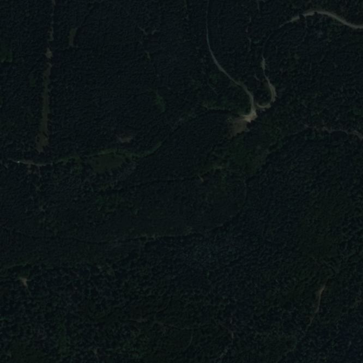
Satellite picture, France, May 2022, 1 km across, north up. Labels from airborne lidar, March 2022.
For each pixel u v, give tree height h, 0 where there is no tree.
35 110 21
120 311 13
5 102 22
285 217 26
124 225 27
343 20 0
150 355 12
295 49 23
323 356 29
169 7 18
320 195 21
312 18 9
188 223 22
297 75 16
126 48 23
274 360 7
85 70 24
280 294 10
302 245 24
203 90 23
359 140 25
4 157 27
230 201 26
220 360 9
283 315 33
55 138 21
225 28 23
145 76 20
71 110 24
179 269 27
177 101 24
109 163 0
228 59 20
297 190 19
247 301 34
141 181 18
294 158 25
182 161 17
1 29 24
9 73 22
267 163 24
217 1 22
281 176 21
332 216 24
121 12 25
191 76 16
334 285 12
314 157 25
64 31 25
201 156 17
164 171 18
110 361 12
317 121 32
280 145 21
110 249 23
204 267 27
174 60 24
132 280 38
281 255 22
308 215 25
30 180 12
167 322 8
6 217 30
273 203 19
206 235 23
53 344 33
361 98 19
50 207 16
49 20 27
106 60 21
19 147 22
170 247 22
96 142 18
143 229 28
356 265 12
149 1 24
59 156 22
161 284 21
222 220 23
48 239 31
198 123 18
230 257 24
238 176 30
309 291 9
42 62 29
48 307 25
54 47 25
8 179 26
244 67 20
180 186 17
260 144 23
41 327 38
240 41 21
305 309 9
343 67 18
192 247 28
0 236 24
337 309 9
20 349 11
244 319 32
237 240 30
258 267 27
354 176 21
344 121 34
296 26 21
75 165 22
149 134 22
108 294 28
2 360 22
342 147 29
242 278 24
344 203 24
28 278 20
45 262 21
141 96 23
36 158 21
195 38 16
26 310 22
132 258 34
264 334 30
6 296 31
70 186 30
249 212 29
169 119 23
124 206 28
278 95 12
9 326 16
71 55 26
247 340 34
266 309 10
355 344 26
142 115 21
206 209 24
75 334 21
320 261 13
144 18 24
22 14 25
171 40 19
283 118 24
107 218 21
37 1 26
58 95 26
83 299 12
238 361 9
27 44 23
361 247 31
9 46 29
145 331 12
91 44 21
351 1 13
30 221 26
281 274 27
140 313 11
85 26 22
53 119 24
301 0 15
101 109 21
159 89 23
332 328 6
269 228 20
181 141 19
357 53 13
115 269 30
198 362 11
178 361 13
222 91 21
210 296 31
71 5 26
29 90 21
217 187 26
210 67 24
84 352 34
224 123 16
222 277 21
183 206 20
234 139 12
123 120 21
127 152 20
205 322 10
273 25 20
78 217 20
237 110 19
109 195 24
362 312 9
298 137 30
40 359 17
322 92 8
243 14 21
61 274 32
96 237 27
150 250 25
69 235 30
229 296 27
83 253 25
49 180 27
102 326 35
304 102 20
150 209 26
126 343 33
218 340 12
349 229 24
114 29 25
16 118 17
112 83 24
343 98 19
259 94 24
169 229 24
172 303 10
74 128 22
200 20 22
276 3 21
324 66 15
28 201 24
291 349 28
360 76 16
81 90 24
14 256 31
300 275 22
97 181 28
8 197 23
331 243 21
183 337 10
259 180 23
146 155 12
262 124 20
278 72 11
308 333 8
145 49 20
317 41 23
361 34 17
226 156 21
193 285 27
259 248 28
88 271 24
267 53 21
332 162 27
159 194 28
